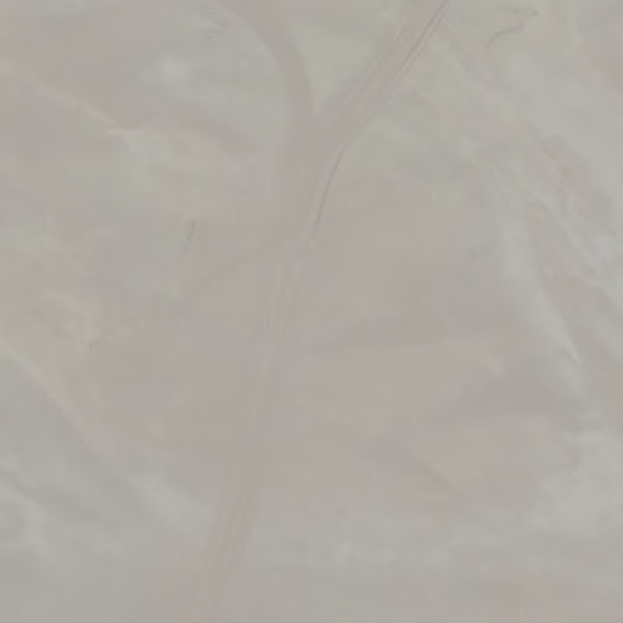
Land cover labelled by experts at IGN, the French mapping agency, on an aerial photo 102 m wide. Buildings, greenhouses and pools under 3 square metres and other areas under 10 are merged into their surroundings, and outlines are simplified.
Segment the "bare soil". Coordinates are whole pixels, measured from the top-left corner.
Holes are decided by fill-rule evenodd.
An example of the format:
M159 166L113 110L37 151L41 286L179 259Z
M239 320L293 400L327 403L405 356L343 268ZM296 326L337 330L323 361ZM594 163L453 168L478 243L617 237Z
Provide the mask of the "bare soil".
M0 0L0 623L623 623L623 0Z

